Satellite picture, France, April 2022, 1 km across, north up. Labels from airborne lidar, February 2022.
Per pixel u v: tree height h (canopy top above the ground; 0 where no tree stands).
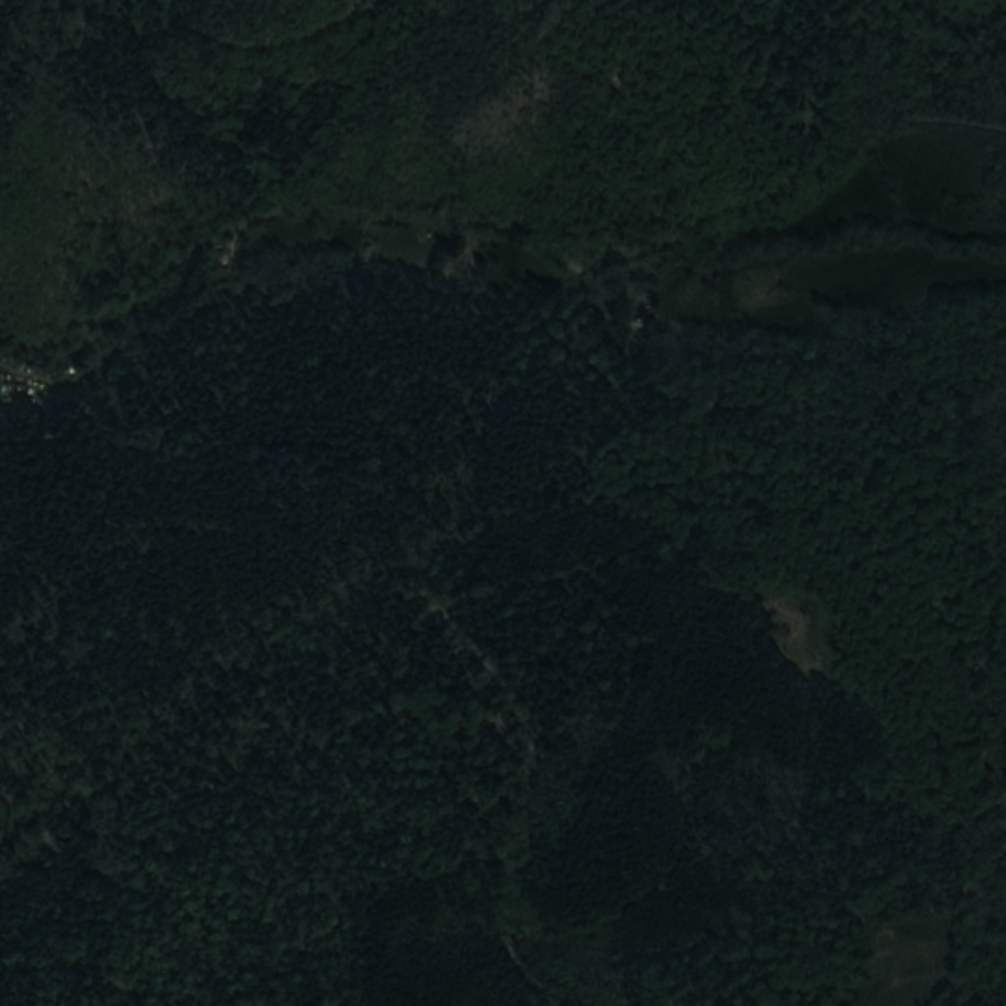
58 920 30
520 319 30
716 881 19
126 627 28
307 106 23
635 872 22
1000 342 24
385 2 26
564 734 11
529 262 0
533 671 28
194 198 24
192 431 28
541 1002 23
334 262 25
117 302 23
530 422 28
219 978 29
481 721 23
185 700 27
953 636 26
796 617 0
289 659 29
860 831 29
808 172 29
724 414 30
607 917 16
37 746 20
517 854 8
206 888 32
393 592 29
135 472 7
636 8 24
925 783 27
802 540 28
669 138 24
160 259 24
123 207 27
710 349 18
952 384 23
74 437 34
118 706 27
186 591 29
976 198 9
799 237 18
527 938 26
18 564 29
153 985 23
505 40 17
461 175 17
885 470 28
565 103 14
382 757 29
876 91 25
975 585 28
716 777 19
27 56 17
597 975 18
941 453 23
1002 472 20
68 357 6
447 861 23
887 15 22
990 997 13
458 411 28
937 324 22
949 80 20
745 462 24
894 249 11
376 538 29
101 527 32
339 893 28
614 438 28
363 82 26
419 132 16
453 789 24
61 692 32
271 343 32
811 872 29
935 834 36
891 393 8
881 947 0
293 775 29
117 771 10
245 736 31
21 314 18
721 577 25
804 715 27
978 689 26
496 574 18
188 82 25
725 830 26
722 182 20
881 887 28
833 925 14
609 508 22
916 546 28
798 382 26
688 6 24
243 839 17
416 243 0
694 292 0
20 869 29
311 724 27
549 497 6
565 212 27
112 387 12
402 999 20
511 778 8
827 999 27
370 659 28
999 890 28
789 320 0
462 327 29
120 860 28
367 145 17
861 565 30
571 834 21
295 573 27
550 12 18
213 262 13
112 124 24
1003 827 20
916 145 0
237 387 33
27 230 22
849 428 27
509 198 23
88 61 30
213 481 29
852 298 0
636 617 13
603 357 21
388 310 31
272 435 27
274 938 30
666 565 16
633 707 16
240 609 25
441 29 22
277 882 28
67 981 26
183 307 30
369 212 25
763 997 29
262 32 11
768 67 30
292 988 29
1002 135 13
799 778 19
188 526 29
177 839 29
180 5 23
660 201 19
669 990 31
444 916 21
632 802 27
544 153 20
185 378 28
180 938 31
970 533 27
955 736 27
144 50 34
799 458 26
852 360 25
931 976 0
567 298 15
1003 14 24
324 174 21
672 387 24
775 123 29
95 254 19
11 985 24
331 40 18
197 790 24
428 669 14
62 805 32
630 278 23
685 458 24
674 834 24
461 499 24
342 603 16
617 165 22
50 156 16
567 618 26
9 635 35
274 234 0
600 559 18
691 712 23
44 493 30
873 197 0
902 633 27
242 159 31
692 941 19
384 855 26
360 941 23
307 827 31
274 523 26
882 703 25
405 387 29
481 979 23
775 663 26
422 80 19
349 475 29
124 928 24
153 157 26
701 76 31
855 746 23
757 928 14
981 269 0
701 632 24
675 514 26
